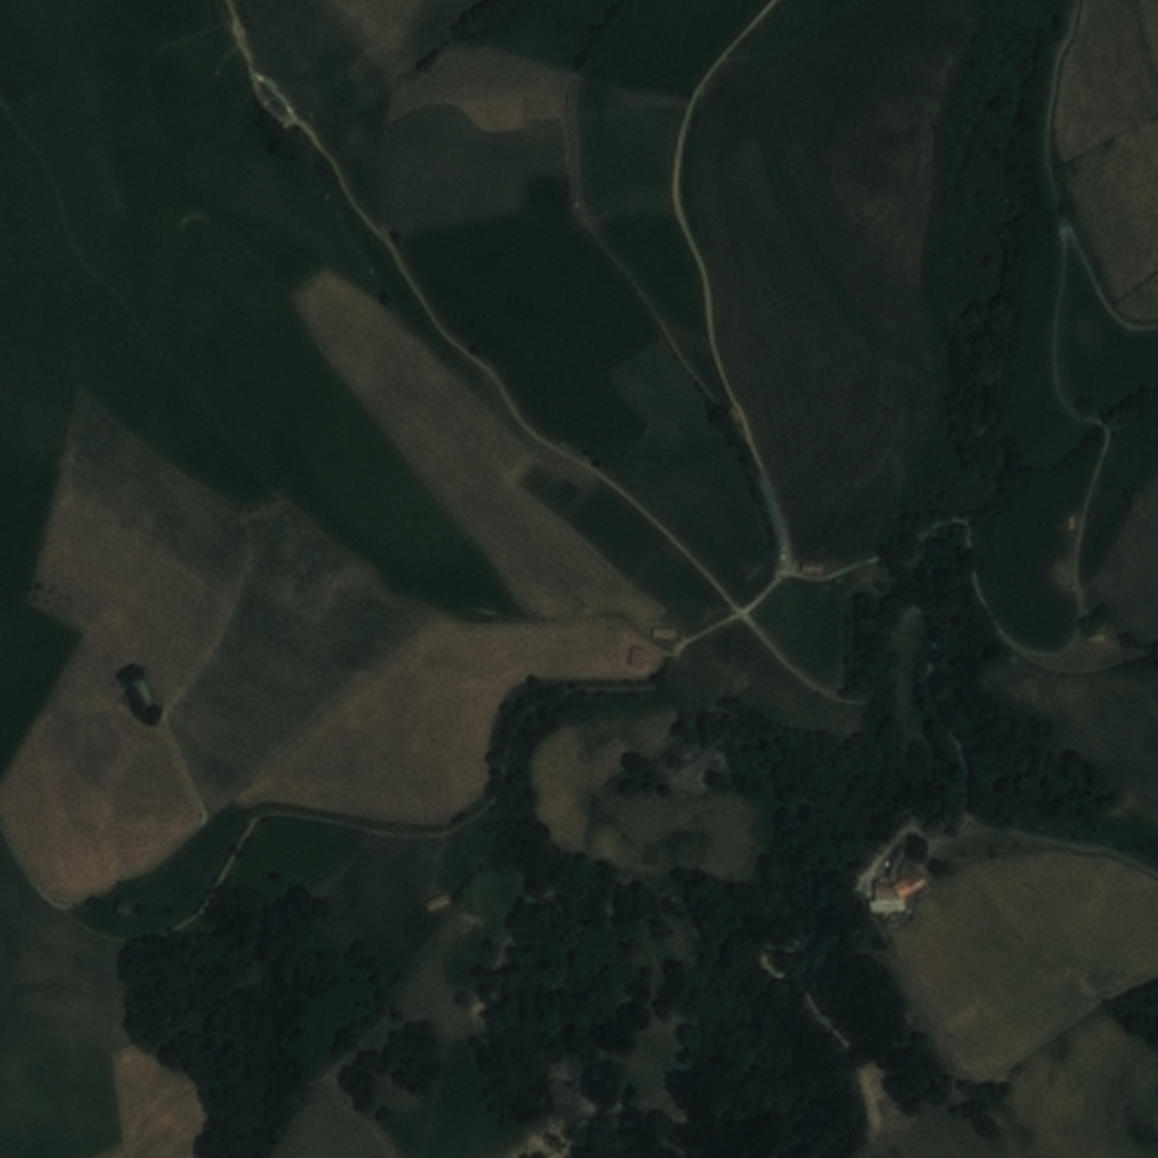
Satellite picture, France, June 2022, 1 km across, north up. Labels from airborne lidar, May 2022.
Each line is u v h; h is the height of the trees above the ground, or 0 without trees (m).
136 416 0
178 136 0
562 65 0
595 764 0
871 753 17
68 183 0
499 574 0
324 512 0
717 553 0
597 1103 28
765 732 20
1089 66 0
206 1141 16
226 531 0
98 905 7
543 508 0
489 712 0
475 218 0
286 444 0
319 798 0
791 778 18
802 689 0
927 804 27
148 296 0
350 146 0
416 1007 0
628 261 0
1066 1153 0
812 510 0
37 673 0
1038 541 0
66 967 0
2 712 0
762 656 0
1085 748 0
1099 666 0
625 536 0
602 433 0
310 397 0
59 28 0
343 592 0
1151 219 0
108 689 0
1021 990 0
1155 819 0
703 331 0
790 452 0
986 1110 16
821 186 0
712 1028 20
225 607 0
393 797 0
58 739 0
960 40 0
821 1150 16
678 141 0
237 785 0
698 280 0
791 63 0
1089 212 0
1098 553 0
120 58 0
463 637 0
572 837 0
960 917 0
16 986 0
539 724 19
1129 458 0
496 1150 0
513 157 0
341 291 0
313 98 0
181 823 0
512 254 0
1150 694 0
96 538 0
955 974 0
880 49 0
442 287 0
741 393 0
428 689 0
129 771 0
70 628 0
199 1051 13
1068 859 0
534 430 0
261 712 0
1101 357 0
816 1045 16
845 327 0
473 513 0
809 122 0
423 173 0
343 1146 0
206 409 0
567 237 0
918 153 0
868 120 0
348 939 0
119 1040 0
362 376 0
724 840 0
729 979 22
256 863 0
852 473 0
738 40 0
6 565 0
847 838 27
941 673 14
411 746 0
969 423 20
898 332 0
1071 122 0
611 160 0
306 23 0
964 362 16
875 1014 19
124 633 0
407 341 0
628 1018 26
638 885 16
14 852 0
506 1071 18
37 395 0
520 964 23
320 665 0
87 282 0
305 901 18
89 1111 0
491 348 0
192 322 0
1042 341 0
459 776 0
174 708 0
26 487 0
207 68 0
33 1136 0
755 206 0
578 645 0
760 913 6
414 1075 16
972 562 15
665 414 0
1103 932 0
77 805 0
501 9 16
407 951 0
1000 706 7
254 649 0
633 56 0
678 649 0
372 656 0
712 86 0
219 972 23
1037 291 0
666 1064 0
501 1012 20
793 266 0
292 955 15
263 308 0
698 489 0
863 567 0
